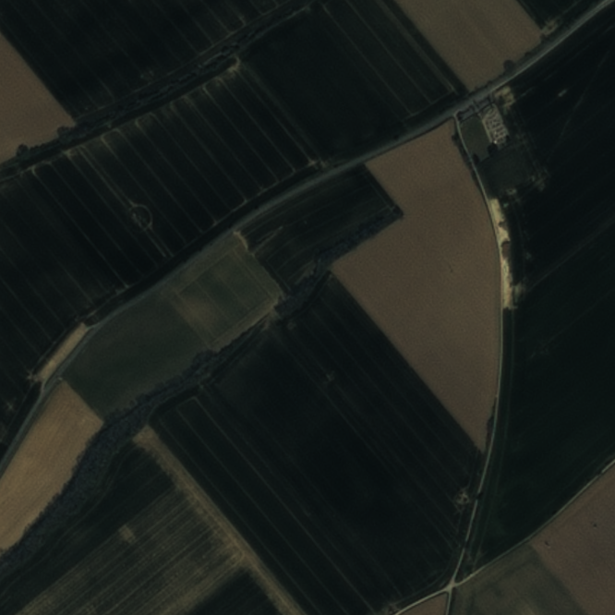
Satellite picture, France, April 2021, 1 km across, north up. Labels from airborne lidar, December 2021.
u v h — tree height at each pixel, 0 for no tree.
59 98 0
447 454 0
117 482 0
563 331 0
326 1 0
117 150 0
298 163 0
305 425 0
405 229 0
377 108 0
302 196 0
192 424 0
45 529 11
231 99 0
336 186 0
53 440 0
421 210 0
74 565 0
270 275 0
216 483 0
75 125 0
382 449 0
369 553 0
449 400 0
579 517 0
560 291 0
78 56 0
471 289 0
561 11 0
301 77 0
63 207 0
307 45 0
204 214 0
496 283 0
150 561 0
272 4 0
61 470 0
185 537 0
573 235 0
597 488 0
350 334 0
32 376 0
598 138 0
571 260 0
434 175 0
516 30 0
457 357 0
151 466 0
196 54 0
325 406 0
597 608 0
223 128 0
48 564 0
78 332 0
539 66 0
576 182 0
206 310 0
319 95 0
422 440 0
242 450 0
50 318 0
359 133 0
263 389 0
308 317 0
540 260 0
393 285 0
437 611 0
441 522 0
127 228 0
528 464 0
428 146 0
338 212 0
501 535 0
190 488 0
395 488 0
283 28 0
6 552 0
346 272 0
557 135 0
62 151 0
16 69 0
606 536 0
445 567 0
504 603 0
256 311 0
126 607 0
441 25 0
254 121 0
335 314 0
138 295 0
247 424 0
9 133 0
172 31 0
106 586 0
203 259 0
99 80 0
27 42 0
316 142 0
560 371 0
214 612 0
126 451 0
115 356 0
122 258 0
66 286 0
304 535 0
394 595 0
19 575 0
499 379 0
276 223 0
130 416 17
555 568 0
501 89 0
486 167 0
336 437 0
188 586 0
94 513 0
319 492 0
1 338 0
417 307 0
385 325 0
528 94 0
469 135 0
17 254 0
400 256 0
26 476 0
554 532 0
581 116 0
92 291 0
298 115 0
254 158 0
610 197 0
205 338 0
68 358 0
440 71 0
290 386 0
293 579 0
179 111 0
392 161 0
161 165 0
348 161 0
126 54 0
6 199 0
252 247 10
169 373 0
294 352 0
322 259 16
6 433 0
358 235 8
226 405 0
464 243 0
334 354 0
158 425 0
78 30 0
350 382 0
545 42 14
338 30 0
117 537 0
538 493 0
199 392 0
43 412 0
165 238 0
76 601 0
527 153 0
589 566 0
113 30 0
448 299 0
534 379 0
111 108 0
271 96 0
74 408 0
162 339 0
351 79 0
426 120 0
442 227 0
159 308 0
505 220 0
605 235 0
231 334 0
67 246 0
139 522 0
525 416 0
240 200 0
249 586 0
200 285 0
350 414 0
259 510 0
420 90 0
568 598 0
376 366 0
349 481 0
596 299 0
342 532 0
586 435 0
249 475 0
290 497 0
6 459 0
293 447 0
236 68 0
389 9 0
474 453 0
